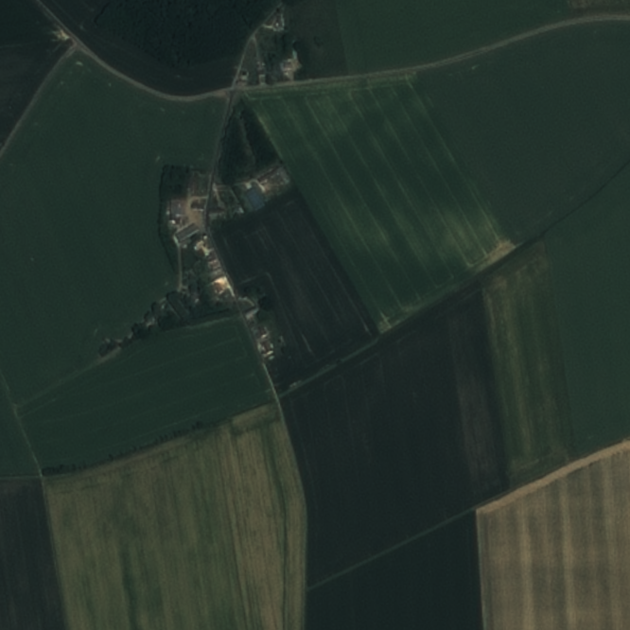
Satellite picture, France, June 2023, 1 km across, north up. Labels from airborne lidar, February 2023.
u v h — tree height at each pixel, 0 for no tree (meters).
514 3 0
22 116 0
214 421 0
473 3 0
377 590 0
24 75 0
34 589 0
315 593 0
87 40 0
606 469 0
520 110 0
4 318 0
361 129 0
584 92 0
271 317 0
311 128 0
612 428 0
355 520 0
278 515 0
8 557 0
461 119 0
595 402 0
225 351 0
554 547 0
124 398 0
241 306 0
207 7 26
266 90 0
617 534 0
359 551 0
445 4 0
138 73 0
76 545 0
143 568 0
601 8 0
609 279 0
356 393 0
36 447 0
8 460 0
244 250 0
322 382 0
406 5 0
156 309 17
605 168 0
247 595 0
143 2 27
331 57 0
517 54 0
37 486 0
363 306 0
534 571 0
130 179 0
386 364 0
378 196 0
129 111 0
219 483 0
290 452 0
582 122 0
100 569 0
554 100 0
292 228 0
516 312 0
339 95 0
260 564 0
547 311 0
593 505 0
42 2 0
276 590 0
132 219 0
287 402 0
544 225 0
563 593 0
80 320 0
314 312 0
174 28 30
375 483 0
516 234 0
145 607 0
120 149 0
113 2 18
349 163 0
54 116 0
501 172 0
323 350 0
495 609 0
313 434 0
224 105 0
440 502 0
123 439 0
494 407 0
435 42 0
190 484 0
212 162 0
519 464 0
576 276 0
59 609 0
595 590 0
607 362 0
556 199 0
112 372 0
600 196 0
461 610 0
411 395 0
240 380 0
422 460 0
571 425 0
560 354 0
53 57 0
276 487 0
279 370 0
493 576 0
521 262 0
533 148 0
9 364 0
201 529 0
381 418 0
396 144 0
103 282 0
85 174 0
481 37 0
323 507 0
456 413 0
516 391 0
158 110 0
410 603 0
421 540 0
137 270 0
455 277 0
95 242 0
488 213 0
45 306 0
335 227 0
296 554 0
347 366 0
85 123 0
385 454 0
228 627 0
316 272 0
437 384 0
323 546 0
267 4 19
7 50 0
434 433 0
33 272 0
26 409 0
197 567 0
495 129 0
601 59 0
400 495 0
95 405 0
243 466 0
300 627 0
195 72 0
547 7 0
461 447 0
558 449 0
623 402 0
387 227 0
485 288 0
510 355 0
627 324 0
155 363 0
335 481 0
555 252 0
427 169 0
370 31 0
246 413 0
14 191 0
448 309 0
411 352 0
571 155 0
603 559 0
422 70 0
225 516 0
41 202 0
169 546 0
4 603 0
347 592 0
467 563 0
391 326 0
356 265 0
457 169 0
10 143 0
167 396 0
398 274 0
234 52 8
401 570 0
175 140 0
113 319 0
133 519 0
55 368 0
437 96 0
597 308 0
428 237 0
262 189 0
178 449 0
